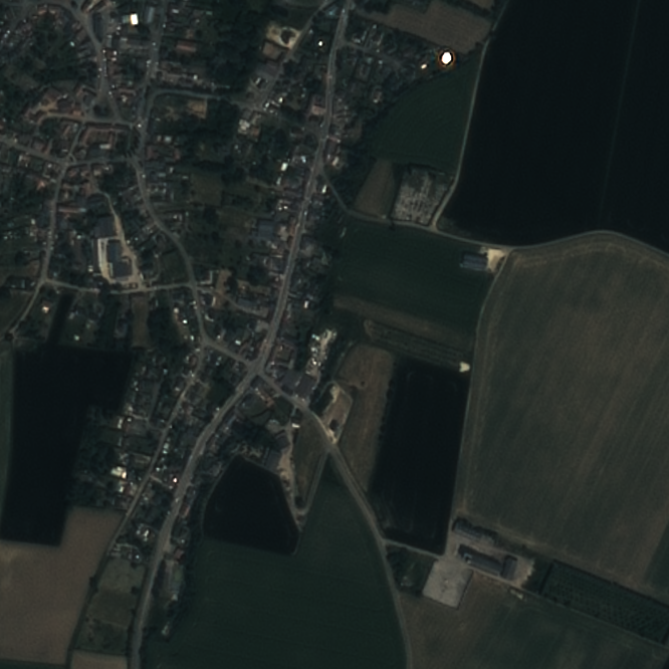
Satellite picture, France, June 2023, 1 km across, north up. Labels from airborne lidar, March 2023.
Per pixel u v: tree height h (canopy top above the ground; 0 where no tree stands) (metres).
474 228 0
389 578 0
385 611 0
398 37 11
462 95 0
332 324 0
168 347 10
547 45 0
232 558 0
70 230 0
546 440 0
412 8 0
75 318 0
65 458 0
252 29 10
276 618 0
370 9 14
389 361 0
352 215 0
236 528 0
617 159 0
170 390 11
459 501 0
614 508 0
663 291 0
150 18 0
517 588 0
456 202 0
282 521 0
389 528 0
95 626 0
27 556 0
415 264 0
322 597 0
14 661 0
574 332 0
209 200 0
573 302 0
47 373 0
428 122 0
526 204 0
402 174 0
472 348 0
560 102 0
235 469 0
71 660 0
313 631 0
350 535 0
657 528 0
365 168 10
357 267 0
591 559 0
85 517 0
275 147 6
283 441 0
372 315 0
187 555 7
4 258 0
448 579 0
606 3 0
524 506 0
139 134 9
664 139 0
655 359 0
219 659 0
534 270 0
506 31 0
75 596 0
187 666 0
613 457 0
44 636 0
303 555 0
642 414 0
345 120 0
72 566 0
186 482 0
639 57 0
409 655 0
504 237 0
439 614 0
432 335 0
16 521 0
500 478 0
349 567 0
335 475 0
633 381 0
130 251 0
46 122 6
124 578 0
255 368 0
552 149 0
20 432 0
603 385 0
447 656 0
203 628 0
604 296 0
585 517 0
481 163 0
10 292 9
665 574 0
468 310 0
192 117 11
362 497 0
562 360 0
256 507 0
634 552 0
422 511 0
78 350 0
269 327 0
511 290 0
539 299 0
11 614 0
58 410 0
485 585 0
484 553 0
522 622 0
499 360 0
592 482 0
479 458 0
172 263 0
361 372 0
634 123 0
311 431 0
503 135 0
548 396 0
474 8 9
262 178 9
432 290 0
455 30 0
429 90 0
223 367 7
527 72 0
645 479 0
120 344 7
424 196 0
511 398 0
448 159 0
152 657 0
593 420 0
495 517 0
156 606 0
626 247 0
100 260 0
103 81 0
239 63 16
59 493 0
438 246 0
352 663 0
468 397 0
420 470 0
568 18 0
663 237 0
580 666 0
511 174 0
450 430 0
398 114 0
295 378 0
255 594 0
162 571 12
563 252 0
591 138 0
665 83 0
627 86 0
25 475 0
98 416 7
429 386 0
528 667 0
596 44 0
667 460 0
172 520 0
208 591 0
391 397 11
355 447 0
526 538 0
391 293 0
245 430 15
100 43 0
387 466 0
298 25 0
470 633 0
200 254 0
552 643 0
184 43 0
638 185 0
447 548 0
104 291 15
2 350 0
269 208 14
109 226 0
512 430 0
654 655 0
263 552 0
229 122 11
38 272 0
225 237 0
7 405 0
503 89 0
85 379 0
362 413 0
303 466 0
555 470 0
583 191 0
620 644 0
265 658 0
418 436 0
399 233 0
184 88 8
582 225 0
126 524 0
